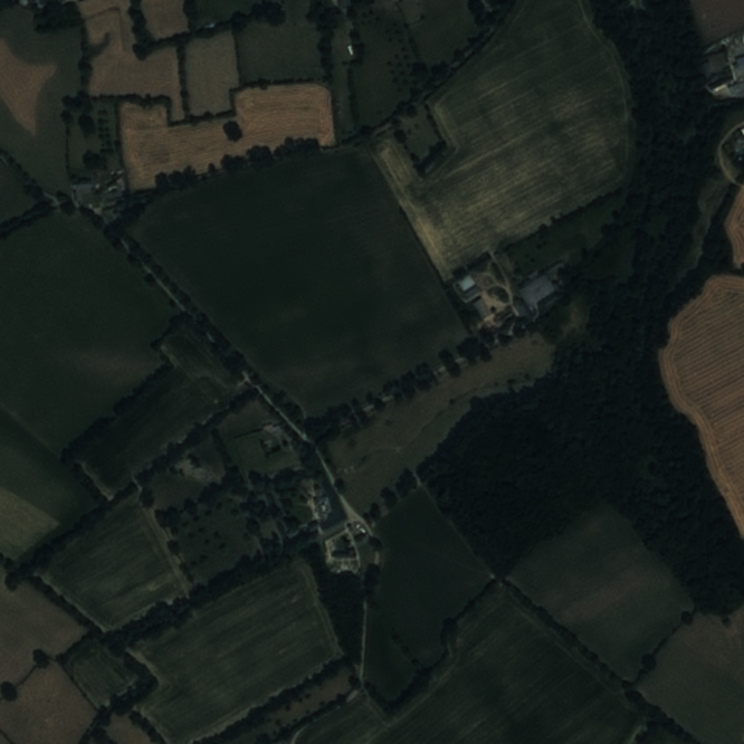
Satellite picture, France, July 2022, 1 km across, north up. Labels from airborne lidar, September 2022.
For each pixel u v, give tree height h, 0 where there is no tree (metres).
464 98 0
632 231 7
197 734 0
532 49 0
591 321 7
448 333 0
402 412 0
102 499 13
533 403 25
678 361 0
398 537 0
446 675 0
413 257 0
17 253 0
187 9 13
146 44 10
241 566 15
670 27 14
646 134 9
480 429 19
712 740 0
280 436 0
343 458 0
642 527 18
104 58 0
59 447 0
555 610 0
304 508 0
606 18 18
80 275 0
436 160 12
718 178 10
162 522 12
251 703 0
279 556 15
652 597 0
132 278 0
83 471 11
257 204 0
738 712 0
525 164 0
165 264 0
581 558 0
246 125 0
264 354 0
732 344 0
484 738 0
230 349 14
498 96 0
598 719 0
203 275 0
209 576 0
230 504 7
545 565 0
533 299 0
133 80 0
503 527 22
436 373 16
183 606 16
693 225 15
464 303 0
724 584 19
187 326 15
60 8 16
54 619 0
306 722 11
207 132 0
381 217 0
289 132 0
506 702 0
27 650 0
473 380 0
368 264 0
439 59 0
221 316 0
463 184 0
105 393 0
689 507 19
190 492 0
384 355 0
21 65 0
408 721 0
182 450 16
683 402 0
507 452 20
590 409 20
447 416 0
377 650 0
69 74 0
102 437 18
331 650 0
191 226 0
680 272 0
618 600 0
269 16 25
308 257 0
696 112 11
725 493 0
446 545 0
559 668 0
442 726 0
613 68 0
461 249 0
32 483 0
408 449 0
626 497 20
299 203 0
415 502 0
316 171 0
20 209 0
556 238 0
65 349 0
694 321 0
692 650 0
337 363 0
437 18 0
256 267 0
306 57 0
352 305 0
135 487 12
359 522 0
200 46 0
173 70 0
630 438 17
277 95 0
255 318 0
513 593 8
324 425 17
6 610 0
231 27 8
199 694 0
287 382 0
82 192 0
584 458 17
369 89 0
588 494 18
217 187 0
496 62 0
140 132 0
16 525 0
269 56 0
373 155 0
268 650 0
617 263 0
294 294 0
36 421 0
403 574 0
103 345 0
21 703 0
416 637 0
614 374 13
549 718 0
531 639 0
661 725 11
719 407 0
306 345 0
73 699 0
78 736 0
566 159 0
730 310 0
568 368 14
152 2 0
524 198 0
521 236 0
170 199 0
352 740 0
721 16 0
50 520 0
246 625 0
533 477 23
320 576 18
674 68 21
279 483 20
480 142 0
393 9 0
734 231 0
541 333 0
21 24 0
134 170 0
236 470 18
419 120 0
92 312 0
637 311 23
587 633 0
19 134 0
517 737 0
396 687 0
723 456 0
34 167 0
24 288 0
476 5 20
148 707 0
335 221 0
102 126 7
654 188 13
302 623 0
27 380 0
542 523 21
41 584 13
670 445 24
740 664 0
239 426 0
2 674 0
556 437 17
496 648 0
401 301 0
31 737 0
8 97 0
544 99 0
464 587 0
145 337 0
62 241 0
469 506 15
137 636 13
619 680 6
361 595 22
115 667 0
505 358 0
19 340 0
